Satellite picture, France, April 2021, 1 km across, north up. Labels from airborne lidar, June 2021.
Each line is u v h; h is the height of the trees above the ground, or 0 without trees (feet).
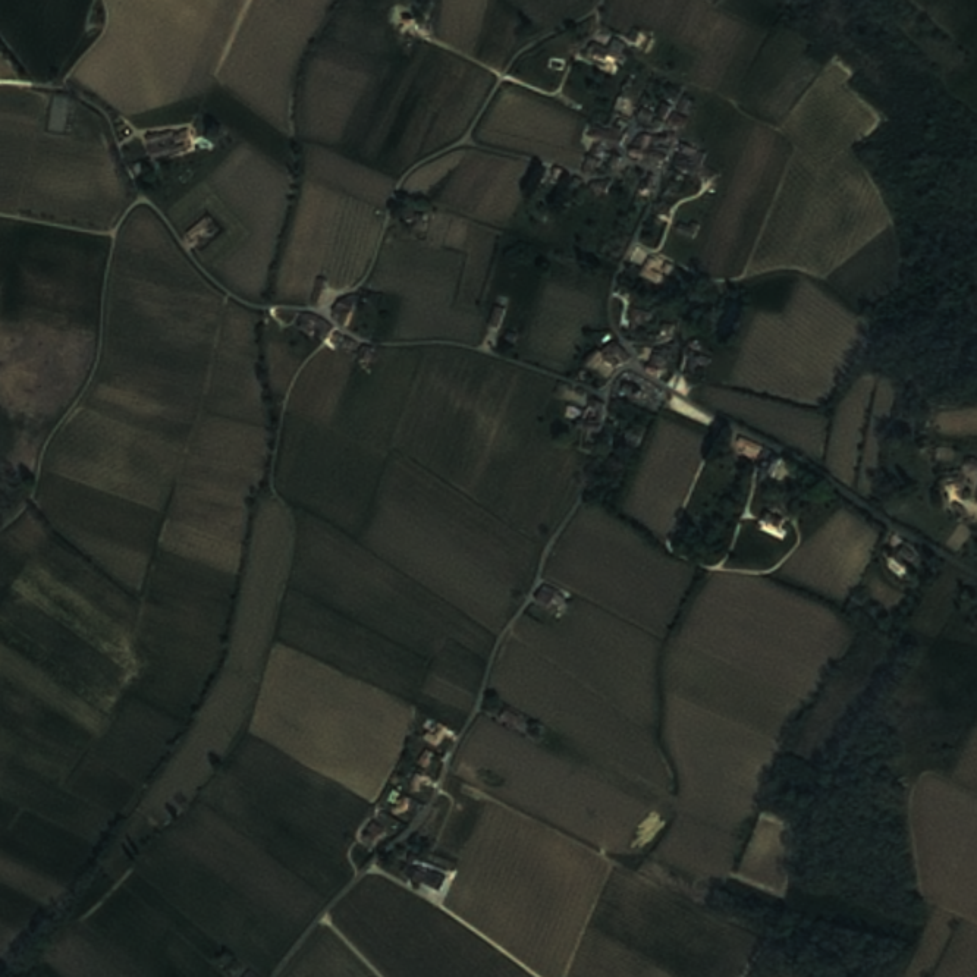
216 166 0
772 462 0
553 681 0
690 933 0
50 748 0
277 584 0
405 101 0
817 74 0
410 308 0
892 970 71
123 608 0
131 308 0
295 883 0
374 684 0
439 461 0
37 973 24
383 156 0
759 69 0
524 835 0
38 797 0
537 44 0
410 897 0
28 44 0
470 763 0
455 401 0
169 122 0
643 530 61
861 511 19
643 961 0
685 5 0
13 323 0
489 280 0
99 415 0
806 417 0
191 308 0
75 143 0
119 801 0
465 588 0
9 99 0
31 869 0
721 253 0
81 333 0
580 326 0
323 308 0
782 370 0
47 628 0
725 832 0
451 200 0
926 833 0
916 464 0
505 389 0
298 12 0
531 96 0
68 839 0
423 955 0
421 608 0
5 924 0
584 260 63
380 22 0
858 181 0
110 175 0
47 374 0
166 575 0
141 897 0
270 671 0
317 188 0
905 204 20
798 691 0
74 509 0
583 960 0
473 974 0
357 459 0
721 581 0
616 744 0
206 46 0
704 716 0
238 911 0
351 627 0
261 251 0
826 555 0
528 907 0
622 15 0
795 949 68
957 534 0
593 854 0
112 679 0
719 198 0
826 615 0
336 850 0
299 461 0
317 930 0
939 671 0
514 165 0
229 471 0
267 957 0
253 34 0
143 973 0
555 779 0
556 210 37
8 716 0
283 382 0
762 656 0
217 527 0
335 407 0
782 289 0
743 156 0
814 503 47
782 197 0
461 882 0
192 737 0
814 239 0
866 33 40
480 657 0
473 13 0
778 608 0
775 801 49
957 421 0
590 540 0
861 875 69
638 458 51
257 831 0
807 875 63
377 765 0
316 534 0
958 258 51
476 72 0
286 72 0
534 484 0
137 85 0
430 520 0
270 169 0
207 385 0
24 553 0
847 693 0
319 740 0
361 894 0
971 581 0
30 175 0
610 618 0
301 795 0
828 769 64
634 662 0
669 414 0
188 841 0
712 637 0
